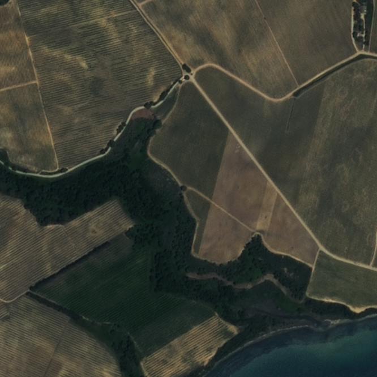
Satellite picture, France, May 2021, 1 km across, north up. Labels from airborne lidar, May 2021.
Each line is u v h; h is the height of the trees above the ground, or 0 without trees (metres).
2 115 0
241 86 0
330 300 0
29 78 0
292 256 0
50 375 0
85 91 0
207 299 6
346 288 0
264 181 0
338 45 0
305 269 0
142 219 6
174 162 0
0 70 0
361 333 0
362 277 0
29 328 0
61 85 0
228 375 0
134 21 0
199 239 0
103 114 0
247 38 0
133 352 12
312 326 0
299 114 0
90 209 27
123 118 0
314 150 0
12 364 0
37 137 0
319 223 0
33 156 0
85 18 0
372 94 0
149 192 14
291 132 0
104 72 0
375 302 0
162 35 0
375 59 0
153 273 15
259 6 0
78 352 0
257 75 0
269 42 0
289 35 0
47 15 0
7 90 0
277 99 0
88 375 0
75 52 0
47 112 0
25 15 0
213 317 0
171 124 0
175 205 8
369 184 0
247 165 0
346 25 0
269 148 0
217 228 0
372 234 0
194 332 0
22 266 0
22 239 0
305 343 0
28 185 9
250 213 0
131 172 8
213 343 0
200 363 0
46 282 20
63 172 9
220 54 0
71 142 0
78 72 0
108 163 7
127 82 0
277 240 0
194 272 10
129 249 0
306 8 0
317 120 0
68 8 0
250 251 11
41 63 0
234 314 6
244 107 0
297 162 0
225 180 0
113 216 0
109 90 0
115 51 0
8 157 0
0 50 0
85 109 0
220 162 0
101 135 0
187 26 0
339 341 0
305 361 0
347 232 0
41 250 0
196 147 0
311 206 0
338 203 0
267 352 0
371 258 0
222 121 0
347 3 0
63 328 0
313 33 0
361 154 0
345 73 0
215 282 7
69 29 0
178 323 0
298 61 0
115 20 0
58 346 0
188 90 0
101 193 8
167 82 0
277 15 0
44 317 0
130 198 13
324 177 0
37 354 0
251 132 0
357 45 0
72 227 0
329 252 0
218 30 0
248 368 0
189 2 0
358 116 0
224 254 0
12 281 0
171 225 7
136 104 0
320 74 0
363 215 0
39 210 11
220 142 0
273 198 0
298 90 0
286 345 0
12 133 0
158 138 0
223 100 0
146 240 12
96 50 0
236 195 0
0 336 0
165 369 0
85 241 0
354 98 0
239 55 0
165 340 0
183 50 0
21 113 0
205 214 0
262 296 7
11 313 0
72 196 19
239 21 0
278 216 0
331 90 0
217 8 0
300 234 0
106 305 0
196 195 0
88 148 0
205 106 0
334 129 0
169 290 15
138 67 0
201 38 0
